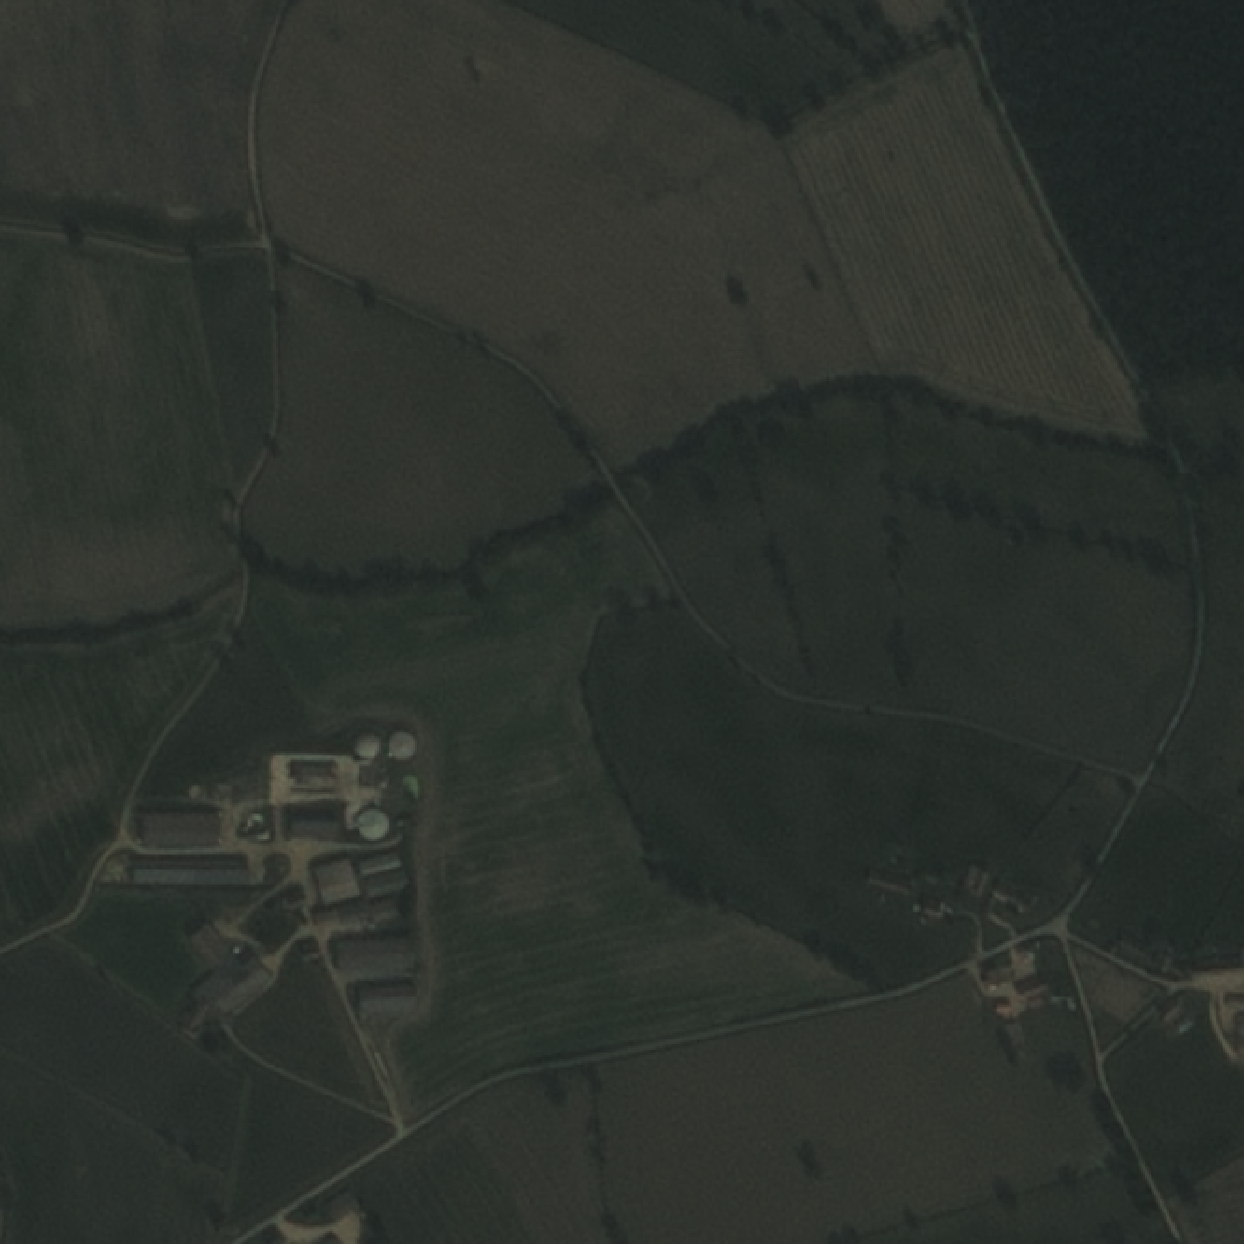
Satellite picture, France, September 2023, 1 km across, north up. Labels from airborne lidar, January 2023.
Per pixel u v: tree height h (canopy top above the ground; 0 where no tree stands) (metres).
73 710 0
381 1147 0
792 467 0
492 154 0
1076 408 0
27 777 0
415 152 0
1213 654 0
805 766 0
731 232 0
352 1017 0
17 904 0
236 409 0
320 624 0
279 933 0
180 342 0
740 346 0
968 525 0
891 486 15
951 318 0
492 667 0
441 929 0
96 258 0
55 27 0
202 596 0
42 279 0
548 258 0
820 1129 0
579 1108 0
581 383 0
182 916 0
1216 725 0
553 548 0
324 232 0
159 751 0
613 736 0
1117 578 0
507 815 0
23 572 0
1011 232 0
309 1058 0
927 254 0
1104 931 0
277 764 0
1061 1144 0
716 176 0
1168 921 0
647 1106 0
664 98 0
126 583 0
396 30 0
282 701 0
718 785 0
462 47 0
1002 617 0
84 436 0
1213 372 20
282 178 0
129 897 0
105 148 0
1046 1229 0
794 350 0
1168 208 27
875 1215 0
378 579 13
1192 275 25
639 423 0
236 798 0
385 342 0
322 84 0
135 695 0
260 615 0
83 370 0
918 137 0
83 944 0
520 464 0
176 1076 0
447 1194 0
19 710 0
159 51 0
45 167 0
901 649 17
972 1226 0
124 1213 0
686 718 0
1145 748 0
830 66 0
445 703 0
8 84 0
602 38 0
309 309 0
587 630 0
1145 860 0
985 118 0
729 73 0
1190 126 27
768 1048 0
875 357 0
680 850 0
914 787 0
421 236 0
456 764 0
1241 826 0
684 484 0
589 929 0
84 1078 0
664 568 0
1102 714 0
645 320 0
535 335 0
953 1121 0
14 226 0
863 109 0
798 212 0
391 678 0
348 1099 0
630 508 0
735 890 0
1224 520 0
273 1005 0
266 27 0
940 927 0
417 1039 0
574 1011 0
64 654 0
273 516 0
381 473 0
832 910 0
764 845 0
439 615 0
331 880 0
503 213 0
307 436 0
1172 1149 0
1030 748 0
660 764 0
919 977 0
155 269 0
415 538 0
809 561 0
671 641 0
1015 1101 0
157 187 0
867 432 0
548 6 0
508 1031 0
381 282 0
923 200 0
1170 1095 0
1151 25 33
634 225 0
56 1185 0
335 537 0
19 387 0
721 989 0
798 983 0
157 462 0
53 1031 0
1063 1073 18
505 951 0
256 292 0
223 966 0
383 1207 0
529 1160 0
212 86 0
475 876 0
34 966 0
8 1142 0
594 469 21
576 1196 0
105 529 0
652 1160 0
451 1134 0
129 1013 0
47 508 0
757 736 0
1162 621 0
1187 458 19
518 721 0
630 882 0
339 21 0
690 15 0
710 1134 0
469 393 0
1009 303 0
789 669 0
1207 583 0
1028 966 0
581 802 0
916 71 0
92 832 0
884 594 0
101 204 0
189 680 0
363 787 0
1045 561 0
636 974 0
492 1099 0
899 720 0
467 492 0
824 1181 0
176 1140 11
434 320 0
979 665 0
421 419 0
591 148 0
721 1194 0
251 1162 0
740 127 0
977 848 0
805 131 0
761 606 0
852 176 0
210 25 0
